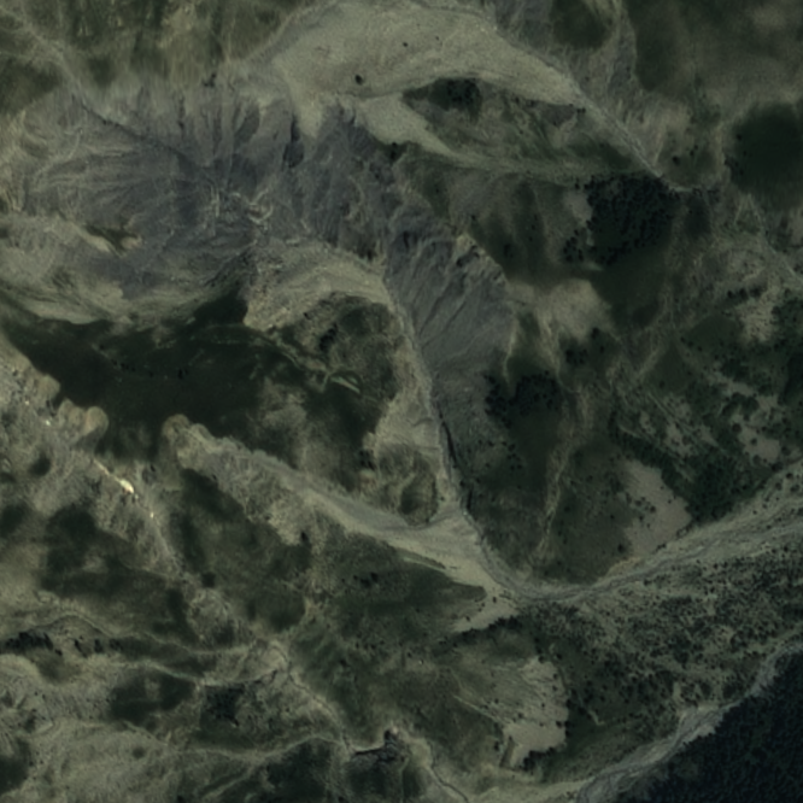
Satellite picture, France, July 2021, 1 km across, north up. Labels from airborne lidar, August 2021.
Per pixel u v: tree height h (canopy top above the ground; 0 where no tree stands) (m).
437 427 0
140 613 0
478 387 0
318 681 0
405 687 0
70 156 0
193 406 0
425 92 0
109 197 0
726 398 6
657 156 0
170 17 0
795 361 12
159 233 0
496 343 0
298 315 0
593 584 0
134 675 0
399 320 0
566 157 0
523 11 0
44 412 0
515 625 14
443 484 0
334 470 0
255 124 0
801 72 0
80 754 0
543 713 0
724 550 0
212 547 0
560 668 0
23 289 0
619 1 0
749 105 0
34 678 0
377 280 0
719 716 0
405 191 0
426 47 0
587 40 0
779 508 0
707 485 9
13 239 0
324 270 0
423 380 0
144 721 0
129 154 0
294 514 0
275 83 0
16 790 0
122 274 0
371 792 0
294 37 0
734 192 0
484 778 0
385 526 0
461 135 0
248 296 0
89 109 0
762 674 0
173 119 0
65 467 0
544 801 0
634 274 0
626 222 10
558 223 0
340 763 0
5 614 0
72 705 0
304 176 0
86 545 0
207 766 0
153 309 0
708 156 0
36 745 0
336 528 0
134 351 0
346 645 0
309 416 0
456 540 0
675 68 0
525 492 0
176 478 0
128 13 0
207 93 0
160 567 0
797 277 0
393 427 0
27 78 0
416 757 0
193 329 0
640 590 0
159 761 0
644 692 12
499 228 0
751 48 0
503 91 0
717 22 0
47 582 0
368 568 0
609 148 0
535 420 0
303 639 0
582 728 0
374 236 0
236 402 0
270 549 0
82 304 0
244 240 0
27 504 0
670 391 0
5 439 0
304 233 0
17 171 0
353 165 0
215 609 0
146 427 0
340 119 0
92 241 0
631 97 0
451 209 0
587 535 0
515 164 0
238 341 0
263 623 0
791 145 0
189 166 0
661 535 0
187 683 0
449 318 0
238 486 0
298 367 0
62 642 0
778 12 0
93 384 0
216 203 0
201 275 0
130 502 0
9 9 0
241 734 0
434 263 0
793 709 16
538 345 0
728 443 7
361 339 0
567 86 0
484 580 0
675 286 0
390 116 0
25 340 0
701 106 0
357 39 0
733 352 6
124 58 0
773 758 6
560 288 0
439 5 0
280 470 0
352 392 0
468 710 0
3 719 0
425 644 0
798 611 10
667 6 0
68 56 0
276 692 0
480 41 0
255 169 0
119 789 0
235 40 0
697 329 0
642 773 0
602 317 0
